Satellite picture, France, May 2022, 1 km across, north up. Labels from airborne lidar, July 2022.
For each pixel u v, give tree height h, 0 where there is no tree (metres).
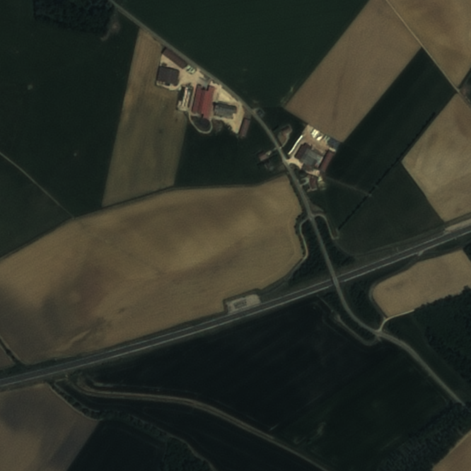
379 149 0
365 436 0
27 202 0
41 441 0
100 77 0
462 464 0
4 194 0
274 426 0
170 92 0
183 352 0
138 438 0
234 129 0
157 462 0
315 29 0
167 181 0
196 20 0
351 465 0
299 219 6
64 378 0
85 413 13
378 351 0
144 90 0
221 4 0
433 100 0
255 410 0
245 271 0
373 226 0
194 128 0
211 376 0
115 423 0
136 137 0
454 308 16
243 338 0
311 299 0
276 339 0
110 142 0
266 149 0
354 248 0
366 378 0
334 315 0
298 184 0
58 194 0
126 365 0
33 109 0
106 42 0
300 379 0
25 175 0
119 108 0
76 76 0
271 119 0
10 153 0
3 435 0
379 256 0
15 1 0
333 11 0
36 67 0
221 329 0
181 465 9
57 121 0
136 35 0
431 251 0
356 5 0
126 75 0
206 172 0
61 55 0
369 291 0
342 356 0
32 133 0
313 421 0
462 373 16
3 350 0
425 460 0
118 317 0
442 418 0
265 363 0
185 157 0
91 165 0
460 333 17
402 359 0
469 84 0
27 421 0
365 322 0
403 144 0
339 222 0
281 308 0
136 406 0
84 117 0
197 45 0
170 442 8
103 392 0
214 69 0
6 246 0
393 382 0
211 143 0
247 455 0
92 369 0
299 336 0
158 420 0
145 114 0
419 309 9
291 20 0
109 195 0
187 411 0
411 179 0
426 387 0
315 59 0
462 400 0
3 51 0
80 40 0
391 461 18
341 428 0
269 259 0
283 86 0
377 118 0
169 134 0
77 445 0
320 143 0
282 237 0
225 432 0
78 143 0
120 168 0
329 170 0
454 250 0
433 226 0
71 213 0
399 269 0
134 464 0
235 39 0
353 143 0
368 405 0
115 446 0
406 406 0
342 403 0
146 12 0
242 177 0
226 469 0
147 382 0
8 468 0
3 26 0
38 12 10
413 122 0
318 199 0
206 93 0
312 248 10
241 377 0
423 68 0
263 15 0
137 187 0
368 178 0
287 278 0
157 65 0
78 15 26
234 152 0
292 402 0
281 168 0
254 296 0
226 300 0
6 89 0
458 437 0
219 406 0
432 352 0
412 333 0
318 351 0
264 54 0
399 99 0
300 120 0
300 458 0
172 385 0
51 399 0
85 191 0
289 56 0
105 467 0
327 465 0
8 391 0
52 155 0
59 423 0
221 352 0
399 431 0
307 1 0
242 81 0
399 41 0
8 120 0
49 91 0
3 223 0
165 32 0
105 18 20
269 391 0
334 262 7
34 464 0
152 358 0
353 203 0
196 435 0
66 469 0
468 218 0
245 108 0
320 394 0
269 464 0
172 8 0
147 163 0
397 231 0
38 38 0
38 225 0
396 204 0
